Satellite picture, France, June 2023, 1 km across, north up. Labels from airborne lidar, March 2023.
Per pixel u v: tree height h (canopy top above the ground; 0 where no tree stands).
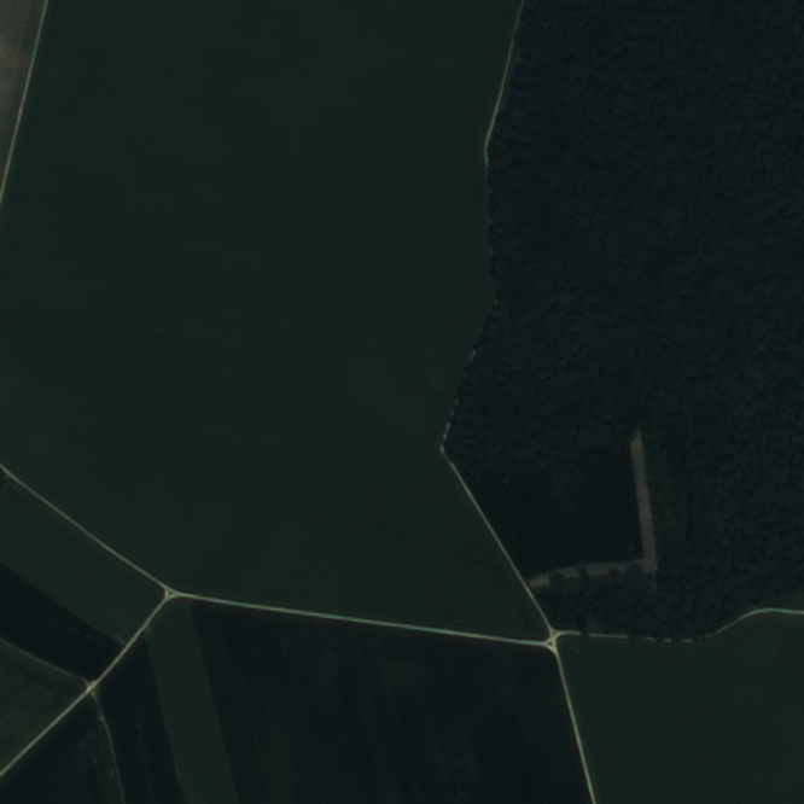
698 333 26
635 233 28
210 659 0
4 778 0
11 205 0
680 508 6
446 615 0
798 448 24
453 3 0
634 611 23
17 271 0
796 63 27
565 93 27
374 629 0
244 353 0
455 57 0
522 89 19
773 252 22
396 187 0
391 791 0
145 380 0
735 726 0
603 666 0
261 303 0
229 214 0
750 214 25
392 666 0
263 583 0
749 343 26
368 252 0
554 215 29
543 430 22
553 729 0
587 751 0
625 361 28
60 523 0
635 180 30
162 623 0
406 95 0
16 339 0
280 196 0
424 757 0
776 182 24
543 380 16
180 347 0
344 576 0
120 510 0
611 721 0
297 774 0
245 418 0
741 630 0
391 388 0
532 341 26
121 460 0
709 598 10
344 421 0
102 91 0
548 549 0
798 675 0
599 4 27
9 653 0
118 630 0
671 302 24
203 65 0
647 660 0
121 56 0
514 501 0
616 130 32
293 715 0
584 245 29
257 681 0
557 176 28
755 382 13
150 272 0
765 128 21
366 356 0
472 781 0
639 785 0
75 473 0
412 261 0
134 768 0
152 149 0
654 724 0
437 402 0
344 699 0
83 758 0
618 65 28
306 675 0
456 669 0
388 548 0
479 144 0
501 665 0
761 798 0
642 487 0
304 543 0
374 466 0
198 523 0
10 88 0
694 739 0
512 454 16
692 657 0
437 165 0
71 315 0
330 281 0
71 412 0
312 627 0
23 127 0
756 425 29
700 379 21
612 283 25
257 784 0
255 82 0
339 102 0
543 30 25
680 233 28
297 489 0
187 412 0
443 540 0
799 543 22
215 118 0
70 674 0
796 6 26
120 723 0
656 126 29
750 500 23
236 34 0
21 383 0
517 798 0
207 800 0
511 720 0
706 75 33
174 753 0
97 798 0
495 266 14
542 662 0
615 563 0
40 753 0
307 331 0
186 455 0
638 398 22
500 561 0
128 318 0
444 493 0
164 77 0
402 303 0
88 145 0
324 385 0
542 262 22
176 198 0
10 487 0
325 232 0
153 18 0
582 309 23
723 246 24
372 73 0
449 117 0
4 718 0
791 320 21
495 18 0
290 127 0
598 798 0
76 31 0
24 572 0
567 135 30
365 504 0
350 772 0
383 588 0
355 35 0
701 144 26
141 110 0
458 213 0
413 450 0
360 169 0
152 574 0
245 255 0
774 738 0
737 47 29
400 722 0
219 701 0
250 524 0
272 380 0
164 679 0
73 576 0
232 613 0
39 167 0
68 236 0
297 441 0
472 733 0
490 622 0
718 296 21
